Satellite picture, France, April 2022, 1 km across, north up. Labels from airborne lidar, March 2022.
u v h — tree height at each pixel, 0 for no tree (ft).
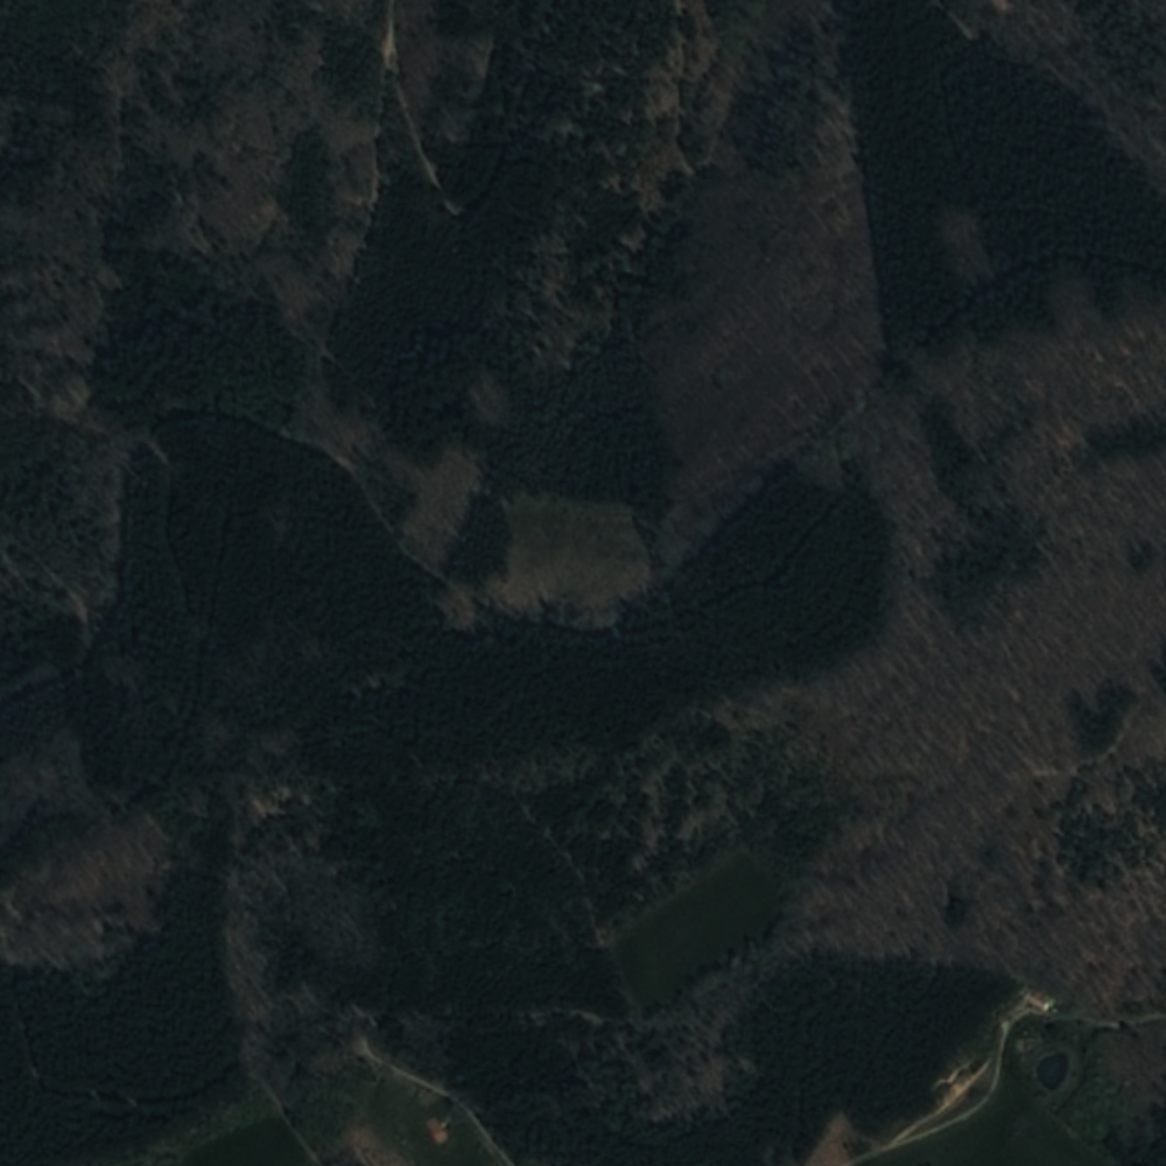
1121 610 65
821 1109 107
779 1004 82
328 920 90
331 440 57
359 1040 78
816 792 30
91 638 72
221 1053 94
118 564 71
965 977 85
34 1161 86
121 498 80
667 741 40
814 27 28
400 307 54
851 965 64
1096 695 63
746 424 32
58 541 79
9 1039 91
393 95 43
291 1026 102
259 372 101
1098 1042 40
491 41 85
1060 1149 0
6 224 78
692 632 87
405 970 41
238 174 43
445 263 63
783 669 63
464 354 115
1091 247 93
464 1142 0
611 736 69
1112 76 92
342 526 75
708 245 32
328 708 71
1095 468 61
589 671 80
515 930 40
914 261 88
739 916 0
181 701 93
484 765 41
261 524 67
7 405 34
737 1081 58
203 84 35
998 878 72
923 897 94
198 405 77
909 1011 91
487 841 43
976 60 84
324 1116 50
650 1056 45
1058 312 90
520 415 74
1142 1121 31
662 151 22
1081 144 90
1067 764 62
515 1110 63
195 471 63
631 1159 90
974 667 90
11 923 73
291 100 37
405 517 66
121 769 68
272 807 76
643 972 0
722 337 36
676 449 40
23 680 74
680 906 0
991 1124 0
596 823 50
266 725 62
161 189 63
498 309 53
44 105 48
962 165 61
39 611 96
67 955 74
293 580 68
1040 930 80
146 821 53
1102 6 69
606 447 85
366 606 75
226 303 82
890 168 84
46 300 76
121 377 102
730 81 58
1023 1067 0
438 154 75
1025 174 85
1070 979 71
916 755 93
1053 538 85
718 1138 83
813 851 38
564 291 26
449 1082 74
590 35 52
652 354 28
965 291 63
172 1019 101
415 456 70
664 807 30
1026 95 71
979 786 86
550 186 46
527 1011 45
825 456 70
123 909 36
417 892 38
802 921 65
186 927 105
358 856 49
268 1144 0
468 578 80
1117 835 31
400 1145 0
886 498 63
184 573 70
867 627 85
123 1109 93
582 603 0
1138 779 29
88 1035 101
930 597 79
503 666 81
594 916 27
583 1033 40
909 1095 90
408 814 46
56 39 32
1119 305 96
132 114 39
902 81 85
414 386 123
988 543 93
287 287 58
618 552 0
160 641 83
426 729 87
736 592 69
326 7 43
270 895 82
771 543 81
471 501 48
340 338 60
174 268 68
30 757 88
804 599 88
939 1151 0
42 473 29
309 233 37
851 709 73
